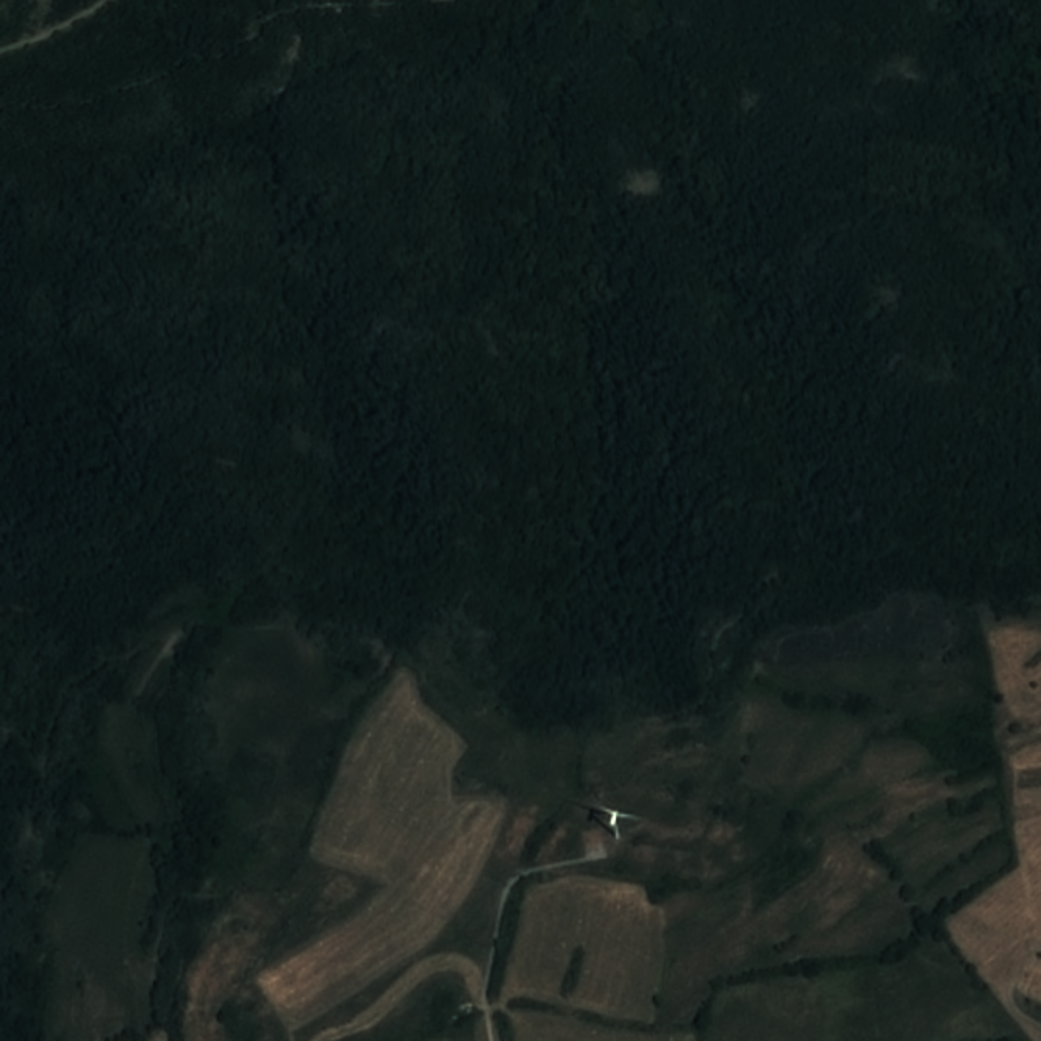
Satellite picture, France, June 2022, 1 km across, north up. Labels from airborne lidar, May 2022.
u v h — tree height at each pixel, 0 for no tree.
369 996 0
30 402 21
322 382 20
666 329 11
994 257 11
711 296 14
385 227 13
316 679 0
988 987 10
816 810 0
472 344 14
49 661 6
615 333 17
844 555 14
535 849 8
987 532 11
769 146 10
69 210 17
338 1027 0
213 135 19
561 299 21
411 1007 0
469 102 13
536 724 6
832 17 14
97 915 0
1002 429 13
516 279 8
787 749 0
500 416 20
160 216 16
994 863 0
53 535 14
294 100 13
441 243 17
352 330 19
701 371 14
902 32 11
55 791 7
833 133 8
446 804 0
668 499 14
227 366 14
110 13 10
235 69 16
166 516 11
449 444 9
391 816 0
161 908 9
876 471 13
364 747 0
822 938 0
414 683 0
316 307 13
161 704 7
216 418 12
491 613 11
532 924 0
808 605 11
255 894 0
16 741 12
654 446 14
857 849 0
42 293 18
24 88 15
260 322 17
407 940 0
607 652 11
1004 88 6
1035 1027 0
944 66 14
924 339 11
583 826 0
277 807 0
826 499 17
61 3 11
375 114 11
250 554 8
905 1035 0
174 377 16
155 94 7
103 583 13
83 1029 0
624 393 19
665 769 0
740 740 0
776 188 12
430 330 16
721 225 7
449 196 16
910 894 15
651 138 15
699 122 12
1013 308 10
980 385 11
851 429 13
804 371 14
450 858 0
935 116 12
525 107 15
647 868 0
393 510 10
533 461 11
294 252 18
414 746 0
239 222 9
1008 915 0
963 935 0
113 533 10
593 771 0
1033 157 6
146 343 16
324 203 21
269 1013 0
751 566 12
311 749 0
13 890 9
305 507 13
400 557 11
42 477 18
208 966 0
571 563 18
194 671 8
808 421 12
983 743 6
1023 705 0
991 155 16
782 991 0
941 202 12
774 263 9
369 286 14
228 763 0
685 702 10
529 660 10
